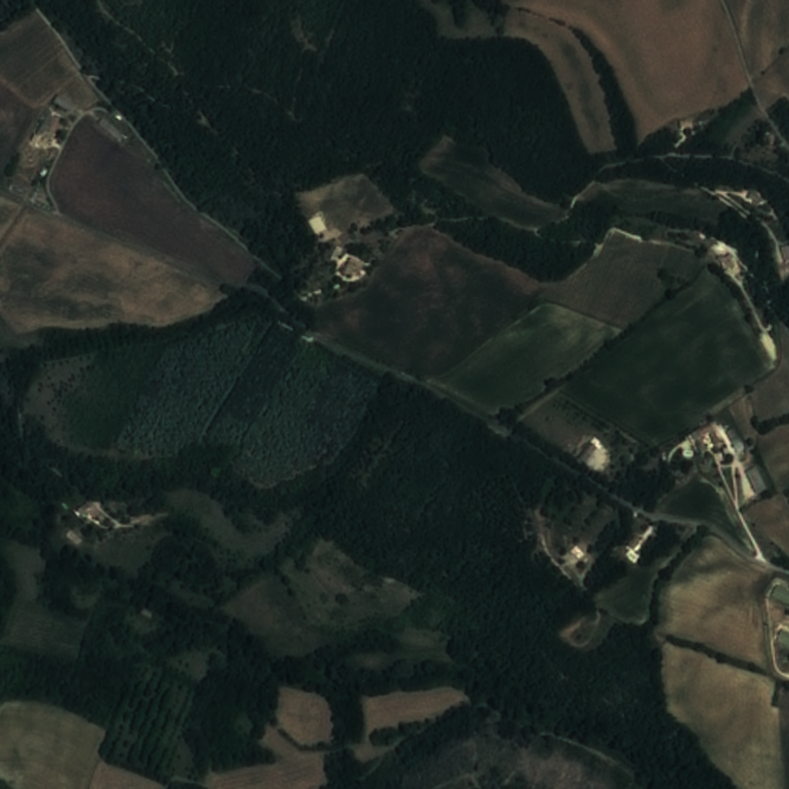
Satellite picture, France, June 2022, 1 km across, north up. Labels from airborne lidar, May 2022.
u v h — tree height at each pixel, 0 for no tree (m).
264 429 8
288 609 0
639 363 0
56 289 0
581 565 10
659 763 11
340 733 15
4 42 0
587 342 0
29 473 21
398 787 12
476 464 14
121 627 12
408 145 15
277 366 10
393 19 12
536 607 10
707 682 0
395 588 0
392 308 0
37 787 0
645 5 0
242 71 7
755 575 0
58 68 0
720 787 16
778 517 0
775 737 0
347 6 7
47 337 8
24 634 0
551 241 8
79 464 11
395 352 0
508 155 11
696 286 0
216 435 11
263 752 10
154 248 0
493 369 0
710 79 0
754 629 0
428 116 11
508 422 16
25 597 0
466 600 12
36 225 0
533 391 0
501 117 7
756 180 15
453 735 12
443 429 14
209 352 11
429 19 13
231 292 14
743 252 6
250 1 7
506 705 27
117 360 9
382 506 8
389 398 15
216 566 12
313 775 0
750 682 0
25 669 6
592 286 0
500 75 8
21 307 0
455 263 0
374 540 14
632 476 11
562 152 6
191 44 13
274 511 8
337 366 10
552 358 0
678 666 0
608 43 0
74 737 0
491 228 12
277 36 8
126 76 14
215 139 15
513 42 8
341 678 30
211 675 17
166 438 11
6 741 0
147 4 9
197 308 0
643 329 0
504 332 0
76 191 0
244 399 13
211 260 0
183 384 11
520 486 11
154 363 8
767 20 0
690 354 0
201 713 10
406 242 0
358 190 0
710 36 0
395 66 10
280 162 12
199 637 16
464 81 9
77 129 0
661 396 0
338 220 0
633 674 8
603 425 8
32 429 6
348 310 0
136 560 0
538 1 0
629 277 0
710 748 0
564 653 12
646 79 0
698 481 0
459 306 0
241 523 13
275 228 16
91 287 0
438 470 15
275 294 17
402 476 8
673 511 0
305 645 0
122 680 14
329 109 8
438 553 12
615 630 12
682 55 0
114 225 0
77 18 13
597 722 12
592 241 9
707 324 0
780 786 0
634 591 0
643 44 0
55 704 6
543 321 0
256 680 28
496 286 0
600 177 12
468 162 0
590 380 0
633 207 0
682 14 0
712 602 0
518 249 7
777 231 0
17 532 10
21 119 0
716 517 0
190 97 13
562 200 11
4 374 12
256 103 8
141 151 0
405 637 0
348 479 10
